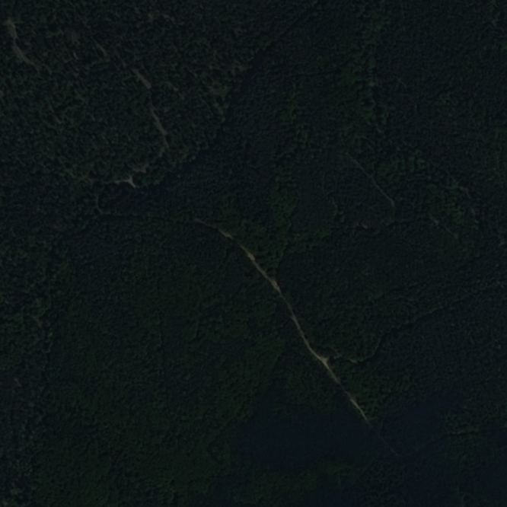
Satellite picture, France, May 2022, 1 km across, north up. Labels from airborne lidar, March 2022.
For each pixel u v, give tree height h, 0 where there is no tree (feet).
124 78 68
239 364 63
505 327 65
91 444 48
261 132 81
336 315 51
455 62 55
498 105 65
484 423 52
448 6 48
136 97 95
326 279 48
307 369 50
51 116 84
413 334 67
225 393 63
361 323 68
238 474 43
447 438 44
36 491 47
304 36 49
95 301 52
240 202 71
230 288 54
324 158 66
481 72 66
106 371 37
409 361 70
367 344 58
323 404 60
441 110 69
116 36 21
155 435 48
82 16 92
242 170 72
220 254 43
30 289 87
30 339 89
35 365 108
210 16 79
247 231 55
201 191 61
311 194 69
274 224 57
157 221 66
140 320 48
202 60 106
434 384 69
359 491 69
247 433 63
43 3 50
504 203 63
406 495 58
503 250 59
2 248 104
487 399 62
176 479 61
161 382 27
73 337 43
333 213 39
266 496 51
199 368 45
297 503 64
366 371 64
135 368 28
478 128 75
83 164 93
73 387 58
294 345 62
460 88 60
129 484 65
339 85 54
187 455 52
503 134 77
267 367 66
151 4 92
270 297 59
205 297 40
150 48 104
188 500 47
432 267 50
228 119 54
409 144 50
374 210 56
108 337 24
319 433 51
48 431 47
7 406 77
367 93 89
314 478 61
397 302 64
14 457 87
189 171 77
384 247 47
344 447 64
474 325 69
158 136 90
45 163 95
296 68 63
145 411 33
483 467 61
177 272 41
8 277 88
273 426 60
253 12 102
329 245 50
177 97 102
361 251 44
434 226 65
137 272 37
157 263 42
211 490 37
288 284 59
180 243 35
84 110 95
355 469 54
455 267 70
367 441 62
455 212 90
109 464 39
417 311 65
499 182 78
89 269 72
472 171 44
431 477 63
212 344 54
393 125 82
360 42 71
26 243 92
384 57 72
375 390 60
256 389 75
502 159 77
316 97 40
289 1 92
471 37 43
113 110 94
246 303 62
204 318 50
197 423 49
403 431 68
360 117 85
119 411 53
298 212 63
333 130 58
